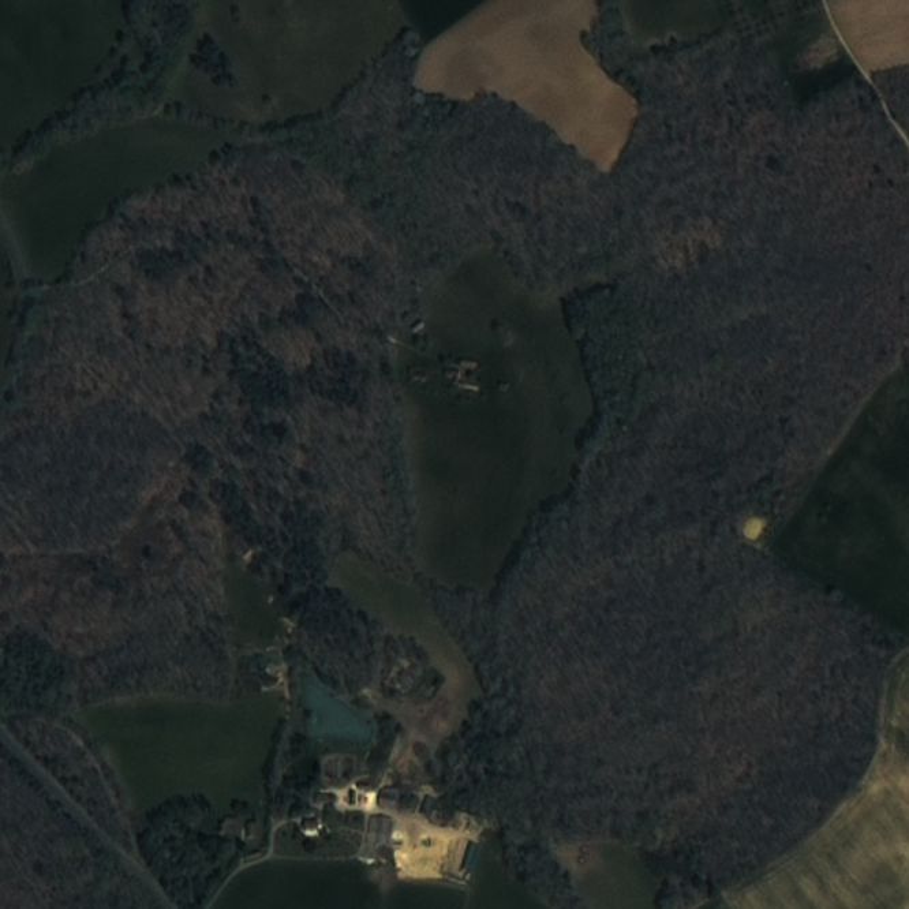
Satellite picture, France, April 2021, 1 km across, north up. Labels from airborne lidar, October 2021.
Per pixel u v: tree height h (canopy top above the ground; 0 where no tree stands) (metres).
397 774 0
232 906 0
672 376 20
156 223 9
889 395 0
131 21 22
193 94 0
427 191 19
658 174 11
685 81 21
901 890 0
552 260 21
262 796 0
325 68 0
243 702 0
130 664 22
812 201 10
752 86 12
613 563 14
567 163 18
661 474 10
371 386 22
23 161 16
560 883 22
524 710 20
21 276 0
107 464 10
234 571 0
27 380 6
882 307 5
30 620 15
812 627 10
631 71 15
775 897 0
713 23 0
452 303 0
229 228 18
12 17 0
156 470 21
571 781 17
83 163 0
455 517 0
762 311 17
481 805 25
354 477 18
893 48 0
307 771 0
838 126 13
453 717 0
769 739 13
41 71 0
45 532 16
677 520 11
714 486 17
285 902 0
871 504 0
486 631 17
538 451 0
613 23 21
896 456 0
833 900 0
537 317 0
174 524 18
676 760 11
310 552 22
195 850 10
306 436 23
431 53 0
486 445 0
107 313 18
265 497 19
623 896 0
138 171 0
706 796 7
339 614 26
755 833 20
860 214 9
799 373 6
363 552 16
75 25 0
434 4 0
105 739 0
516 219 21
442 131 20
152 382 16
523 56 0
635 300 25
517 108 12
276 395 20
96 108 23
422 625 0
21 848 14
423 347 11
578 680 18
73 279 15
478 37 0
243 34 0
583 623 16
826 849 0
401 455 19
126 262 17
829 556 0
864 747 18
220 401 16
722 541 15
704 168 17
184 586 17
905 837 0
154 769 0
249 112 0
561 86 0
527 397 0
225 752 0
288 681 14
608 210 18
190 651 22
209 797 0
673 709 14
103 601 18
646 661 15
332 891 0
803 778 18
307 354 16
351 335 16
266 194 16
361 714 14
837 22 0
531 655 23
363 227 19
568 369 0
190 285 12
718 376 12
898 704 0
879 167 8
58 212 0
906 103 13
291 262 8
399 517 19
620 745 15
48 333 20
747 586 15
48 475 16
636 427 12
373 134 20
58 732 14
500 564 0
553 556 23
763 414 7
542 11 0
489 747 24
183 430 18
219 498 17
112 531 22
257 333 13
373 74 14
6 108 0
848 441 0
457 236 18
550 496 0
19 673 9
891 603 0
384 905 0
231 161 9
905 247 10
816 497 0
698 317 24
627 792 13
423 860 0
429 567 0
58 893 11
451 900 0
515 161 18
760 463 11
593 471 12
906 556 0
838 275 9
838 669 12
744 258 19
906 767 0
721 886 12
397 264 18
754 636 12
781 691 9
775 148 13
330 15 0
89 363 20
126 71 15
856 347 6
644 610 15
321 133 19
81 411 13
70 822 14
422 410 0
